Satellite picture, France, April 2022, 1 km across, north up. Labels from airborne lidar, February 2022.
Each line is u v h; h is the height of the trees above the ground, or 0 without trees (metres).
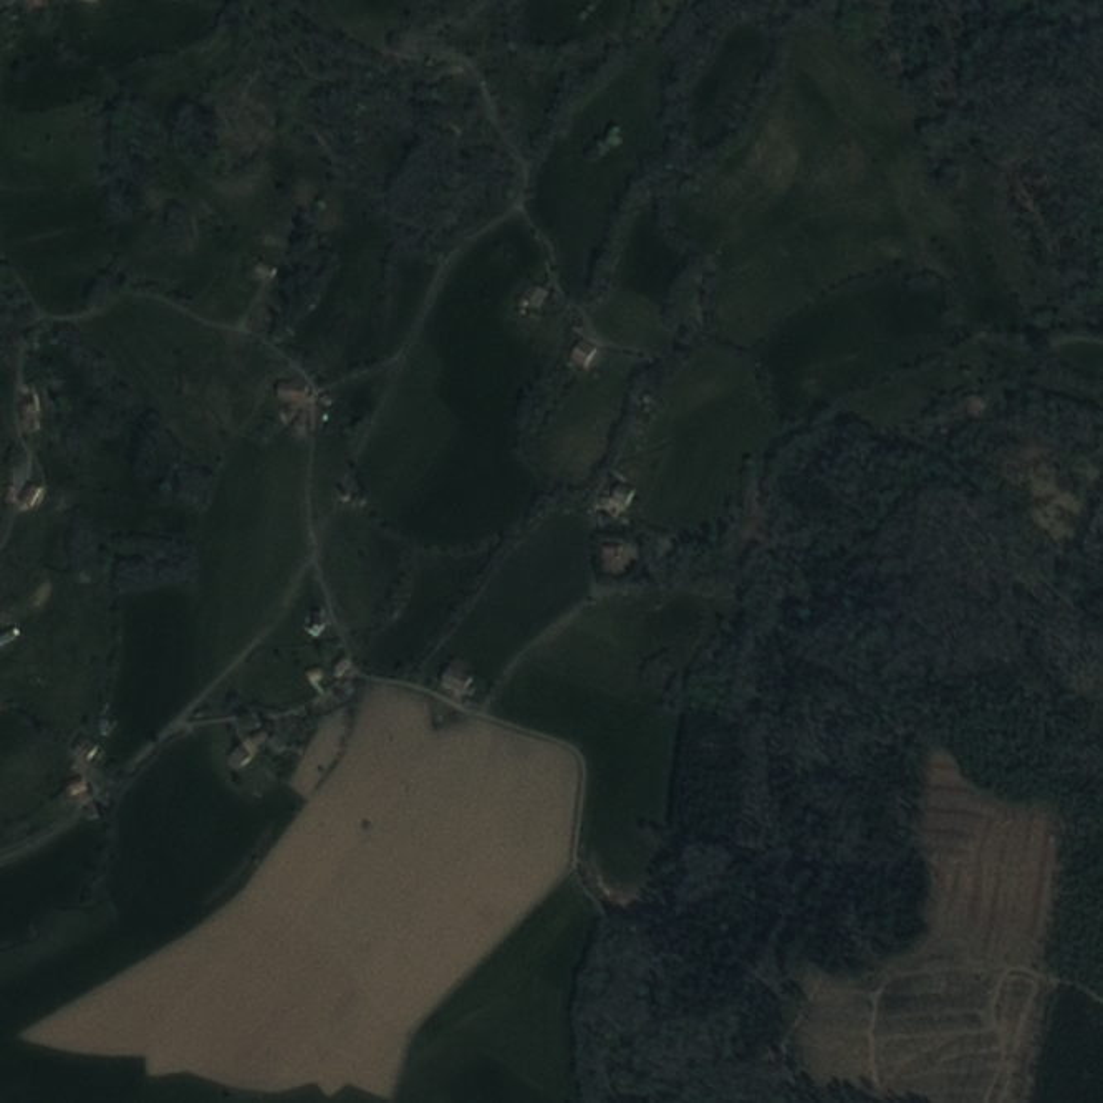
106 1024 0
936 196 0
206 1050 0
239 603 0
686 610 0
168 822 0
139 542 15
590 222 0
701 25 25
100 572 11
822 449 12
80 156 0
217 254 0
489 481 0
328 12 0
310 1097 0
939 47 26
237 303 0
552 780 0
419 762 0
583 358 0
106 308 25
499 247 7
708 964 19
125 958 0
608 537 8
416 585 0
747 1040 17
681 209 0
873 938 30
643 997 24
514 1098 0
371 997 0
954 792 0
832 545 18
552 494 10
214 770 0
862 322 0
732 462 0
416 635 0
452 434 0
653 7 22
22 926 0
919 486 10
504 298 0
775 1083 25
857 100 0
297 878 0
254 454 0
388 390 0
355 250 0
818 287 0
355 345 0
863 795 27
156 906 0
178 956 0
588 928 0
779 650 25
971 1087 0
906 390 0
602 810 0
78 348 24
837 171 0
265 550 0
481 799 0
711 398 0
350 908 0
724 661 11
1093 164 24
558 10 0
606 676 0
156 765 0
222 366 0
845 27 22
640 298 0
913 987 0
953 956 0
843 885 23
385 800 0
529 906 0
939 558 32
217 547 0
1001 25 26
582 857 0
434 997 0
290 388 0
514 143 21
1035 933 0
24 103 0
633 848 0
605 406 0
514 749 0
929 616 32
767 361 0
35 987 0
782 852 22
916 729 17
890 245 0
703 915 26
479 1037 0
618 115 0
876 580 20
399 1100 0
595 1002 21
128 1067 0
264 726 10
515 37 17
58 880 0
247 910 0
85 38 0
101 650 0
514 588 0
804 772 28
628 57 13
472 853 0
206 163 17
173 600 0
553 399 10
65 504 0
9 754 0
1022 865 0
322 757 0
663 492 0
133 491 0
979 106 17
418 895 0
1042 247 12
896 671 15
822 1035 0
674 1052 25
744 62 0
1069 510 0
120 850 0
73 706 0
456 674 0
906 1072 0
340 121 25
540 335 0
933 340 0
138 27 0
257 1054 0
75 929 0
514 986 0
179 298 9
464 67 0
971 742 18
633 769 0
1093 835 17
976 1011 0
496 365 0
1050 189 6
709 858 28
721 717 17
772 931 24
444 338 0
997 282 0
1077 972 10
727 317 0
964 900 0
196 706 0
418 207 24
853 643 26
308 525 0
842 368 0
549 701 0
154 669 0
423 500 0
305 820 0
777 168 0
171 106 0
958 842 0
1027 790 19
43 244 0
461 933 0
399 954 0
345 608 0
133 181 26
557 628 0
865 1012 0
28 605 0
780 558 8
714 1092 21
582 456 0
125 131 23
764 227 0
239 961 0
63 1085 0
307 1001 0
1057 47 14
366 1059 0
